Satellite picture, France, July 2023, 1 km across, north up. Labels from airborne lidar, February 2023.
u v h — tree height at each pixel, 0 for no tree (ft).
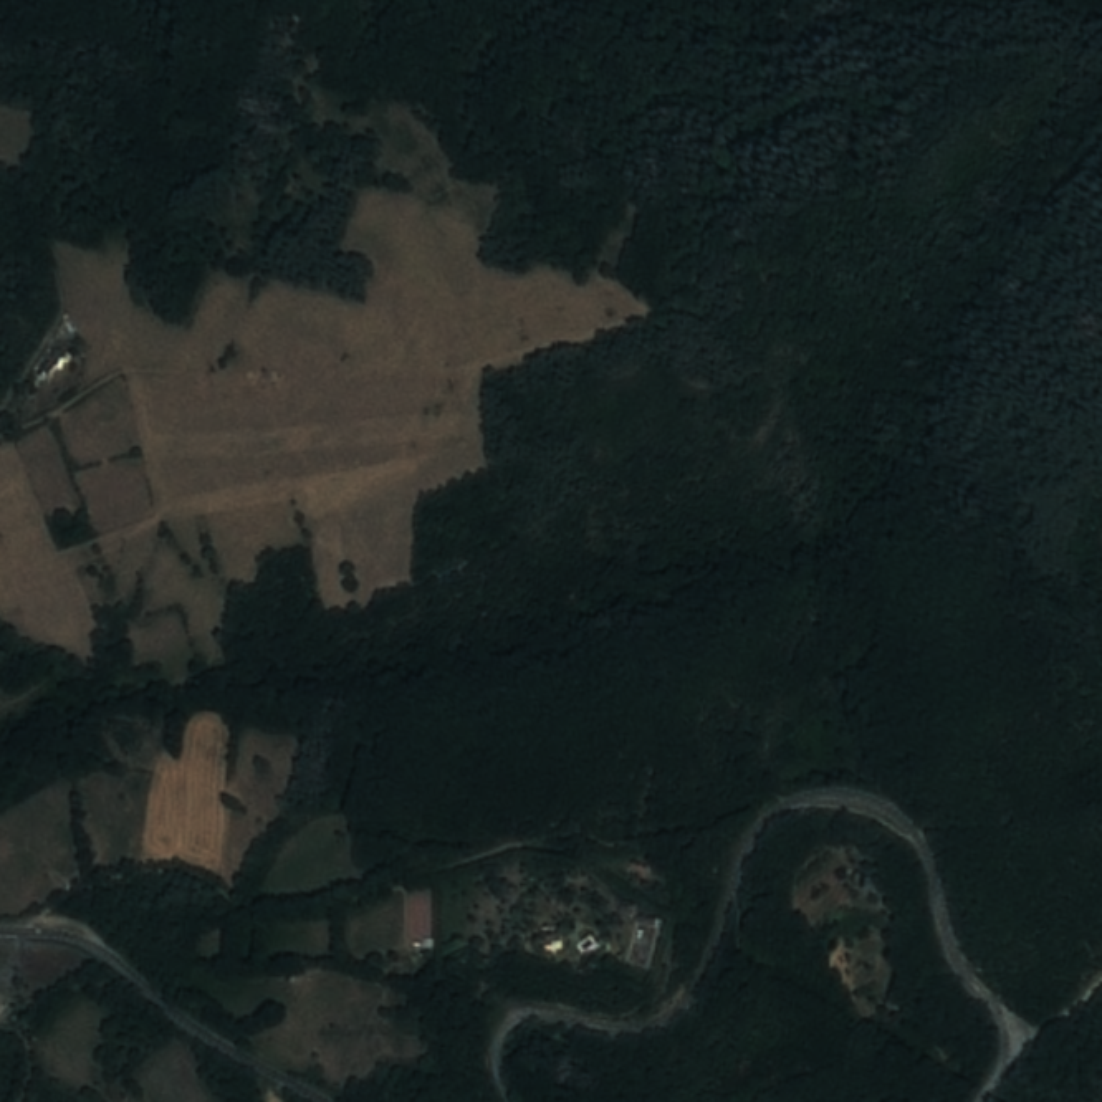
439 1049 36
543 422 25
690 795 54
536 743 55
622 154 52
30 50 73
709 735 46
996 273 73
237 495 0
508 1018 0
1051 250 71
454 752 55
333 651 69
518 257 51
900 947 69
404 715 61
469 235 0
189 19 73
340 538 0
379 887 41
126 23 62
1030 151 45
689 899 22
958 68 42
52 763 56
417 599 48
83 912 33
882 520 75
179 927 34
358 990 0
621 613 77
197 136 46
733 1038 69
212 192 86
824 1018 36
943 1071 46
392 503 0
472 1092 57
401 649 66
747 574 88
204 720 0
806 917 60
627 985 52
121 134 52
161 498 0
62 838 0
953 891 45
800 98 61
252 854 32
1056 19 59
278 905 63
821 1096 82
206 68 58
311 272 32
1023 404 77
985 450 31
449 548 35
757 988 50
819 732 0
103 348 0
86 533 20
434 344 0
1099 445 57
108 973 52
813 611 48
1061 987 45
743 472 34
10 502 0
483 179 33
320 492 0
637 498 49
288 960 49
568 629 97
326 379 0
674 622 78
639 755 48
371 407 0
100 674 50
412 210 0
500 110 73
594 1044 56
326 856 0
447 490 26
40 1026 27
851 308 81
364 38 63
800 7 81
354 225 0
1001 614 51
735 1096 37
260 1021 43
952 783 40
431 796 63
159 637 0
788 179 88
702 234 46
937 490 67
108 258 0
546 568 54
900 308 59
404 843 43
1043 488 50
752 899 75
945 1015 75
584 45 55
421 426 0
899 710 72
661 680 53
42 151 53
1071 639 57
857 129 41
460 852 40
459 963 43
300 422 0
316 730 55
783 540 85
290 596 24
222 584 0
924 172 30
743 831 41
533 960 47
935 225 58
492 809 39
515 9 73
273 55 58
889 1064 100
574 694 62
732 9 91
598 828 39
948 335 115
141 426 0
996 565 60
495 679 65
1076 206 84
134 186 76
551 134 69
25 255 26
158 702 27
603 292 0
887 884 53
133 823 0
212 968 37
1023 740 37
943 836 41
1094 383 67
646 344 50
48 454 0
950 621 54
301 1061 0
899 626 76
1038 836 47
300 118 48
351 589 42
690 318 60
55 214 47
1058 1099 32
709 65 98
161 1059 0
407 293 0
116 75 55
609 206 49
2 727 21
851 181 40
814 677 60
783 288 56
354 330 0
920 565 55
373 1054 0
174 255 65
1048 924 57
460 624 45
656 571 96
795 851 73
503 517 41
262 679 75
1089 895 56
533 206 40
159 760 0
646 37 68
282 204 25
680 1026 46
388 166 0
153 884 26
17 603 0
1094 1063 35
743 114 100
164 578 0
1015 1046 0
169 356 0
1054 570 64
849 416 24
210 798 0
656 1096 91
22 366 29
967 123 28
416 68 56
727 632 73
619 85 43
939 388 88
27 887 0
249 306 0
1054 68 45
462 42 74
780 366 23
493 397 43
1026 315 91
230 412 0
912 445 90
